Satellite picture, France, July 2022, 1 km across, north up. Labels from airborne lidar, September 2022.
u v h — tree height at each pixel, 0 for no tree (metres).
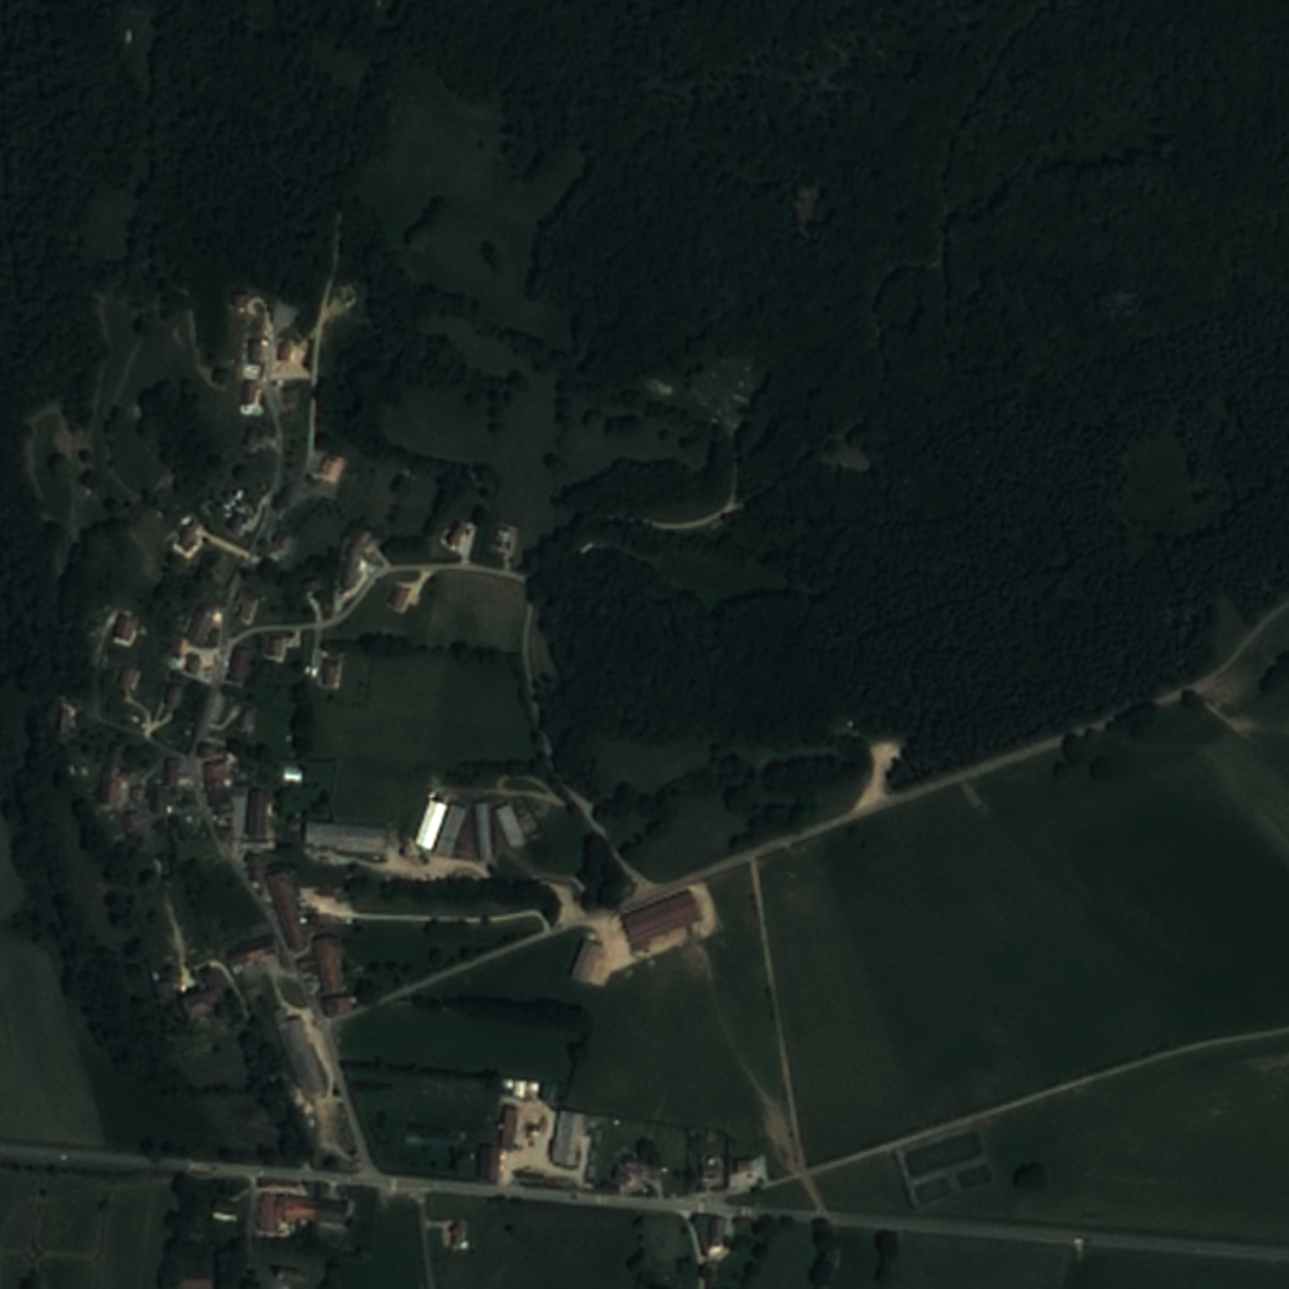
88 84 14
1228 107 18
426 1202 0
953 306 16
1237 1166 0
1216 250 16
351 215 17
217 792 0
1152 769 0
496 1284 0
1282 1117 0
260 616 0
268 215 13
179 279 15
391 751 0
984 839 0
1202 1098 0
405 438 0
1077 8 20
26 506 18
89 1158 0
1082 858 0
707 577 0
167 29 22
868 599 22
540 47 17
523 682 13
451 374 16
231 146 14
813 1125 0
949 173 21
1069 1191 0
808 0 19
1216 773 0
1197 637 22
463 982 0
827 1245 18
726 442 18
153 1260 0
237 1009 15
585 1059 14
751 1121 0
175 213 9
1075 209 20
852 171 26
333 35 26
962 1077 0
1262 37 16
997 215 15
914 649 21
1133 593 21
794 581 25
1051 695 20
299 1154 17
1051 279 21
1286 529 21
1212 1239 0
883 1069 0
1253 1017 0
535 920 0
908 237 18
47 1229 0
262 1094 18
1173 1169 0
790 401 16
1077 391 5
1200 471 24
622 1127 0
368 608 0
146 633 0
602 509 15
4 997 0
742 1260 0
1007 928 0
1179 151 21
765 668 22
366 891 17
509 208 0
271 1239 6
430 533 9
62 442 0
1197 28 19
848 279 16
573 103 19
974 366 8
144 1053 22
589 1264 0
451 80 17
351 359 9
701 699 21
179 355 0
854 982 0
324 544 0
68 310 19
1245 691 0
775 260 16
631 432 17
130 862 7
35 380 16
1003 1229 0
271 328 0
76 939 20
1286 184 17
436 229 15
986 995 0
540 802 0
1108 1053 0
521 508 0
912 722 16
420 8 23
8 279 11
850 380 19
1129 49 21
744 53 17
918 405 18
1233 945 0
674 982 0
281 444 0
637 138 9
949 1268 0
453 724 0
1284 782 0
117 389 0
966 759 19
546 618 16
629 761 0
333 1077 0
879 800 0
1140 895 0
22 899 0
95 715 0
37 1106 0
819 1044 0
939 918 0
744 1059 0
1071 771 10
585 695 20
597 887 14
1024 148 18
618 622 16
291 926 0
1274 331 19
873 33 20
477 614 0
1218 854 0
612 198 17
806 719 22
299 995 0
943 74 18
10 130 14
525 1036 0
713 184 22
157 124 17
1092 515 21
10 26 12
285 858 11
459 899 13
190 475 13
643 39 15
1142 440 19
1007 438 21
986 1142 0
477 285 0
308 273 17
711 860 0
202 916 9
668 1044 0
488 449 0
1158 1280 0
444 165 0
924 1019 0
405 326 23
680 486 16
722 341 12
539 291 21
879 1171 0
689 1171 7
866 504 16
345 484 0
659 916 0
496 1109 0
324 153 15
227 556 0
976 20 14
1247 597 14
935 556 21
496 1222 0
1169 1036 0
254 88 17
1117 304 32
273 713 0
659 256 18
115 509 16
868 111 18
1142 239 18
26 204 8
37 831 22
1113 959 0
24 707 0
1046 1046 0
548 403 0
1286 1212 0
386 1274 0
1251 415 21
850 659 23
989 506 18
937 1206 0
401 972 6
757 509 15
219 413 0
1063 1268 0
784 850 0
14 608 16
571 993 0
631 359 22
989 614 23
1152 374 21
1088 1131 0
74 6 24
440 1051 0
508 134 19
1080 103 18
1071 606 22
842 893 0
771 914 0
